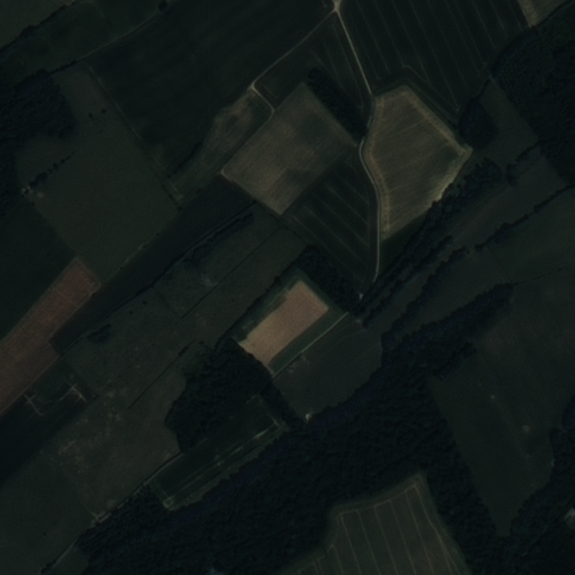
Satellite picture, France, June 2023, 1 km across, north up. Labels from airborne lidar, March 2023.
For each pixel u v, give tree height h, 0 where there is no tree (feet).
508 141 0
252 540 67
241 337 0
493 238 28
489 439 0
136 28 0
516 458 0
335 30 0
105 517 0
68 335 0
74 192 0
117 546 63
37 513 0
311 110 0
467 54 0
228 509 58
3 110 73
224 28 0
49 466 0
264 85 0
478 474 0
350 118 63
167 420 24
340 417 81
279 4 0
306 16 0
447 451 84
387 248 0
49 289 0
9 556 0
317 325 0
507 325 0
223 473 0
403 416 78
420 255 50
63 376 0
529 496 0
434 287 44
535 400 0
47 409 0
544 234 0
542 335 0
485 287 0
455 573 0
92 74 0
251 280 0
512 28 0
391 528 0
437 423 78
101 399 0
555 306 0
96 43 0
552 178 0
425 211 0
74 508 0
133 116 0
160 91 0
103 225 0
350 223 0
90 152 0
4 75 37
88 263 0
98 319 0
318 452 80
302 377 0
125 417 0
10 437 0
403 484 0
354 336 0
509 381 0
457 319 70
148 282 0
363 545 0
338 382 0
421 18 0
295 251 0
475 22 0
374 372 0
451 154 0
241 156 0
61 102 71
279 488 87
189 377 20
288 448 84
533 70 81
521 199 0
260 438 0
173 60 0
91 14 0
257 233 0
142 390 0
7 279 0
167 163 0
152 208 0
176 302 0
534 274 0
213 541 85
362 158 0
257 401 0
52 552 0
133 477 0
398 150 0
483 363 0
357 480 63
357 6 0
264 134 0
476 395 0
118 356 0
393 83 0
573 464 68
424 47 0
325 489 66
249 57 0
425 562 0
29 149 0
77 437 0
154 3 0
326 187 0
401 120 0
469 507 66
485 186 59
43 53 0
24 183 0
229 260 0
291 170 0
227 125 0
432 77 0
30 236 0
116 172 0
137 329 0
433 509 0
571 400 0
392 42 0
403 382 87
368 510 0
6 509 0
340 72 0
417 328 0
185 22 0
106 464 0
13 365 0
